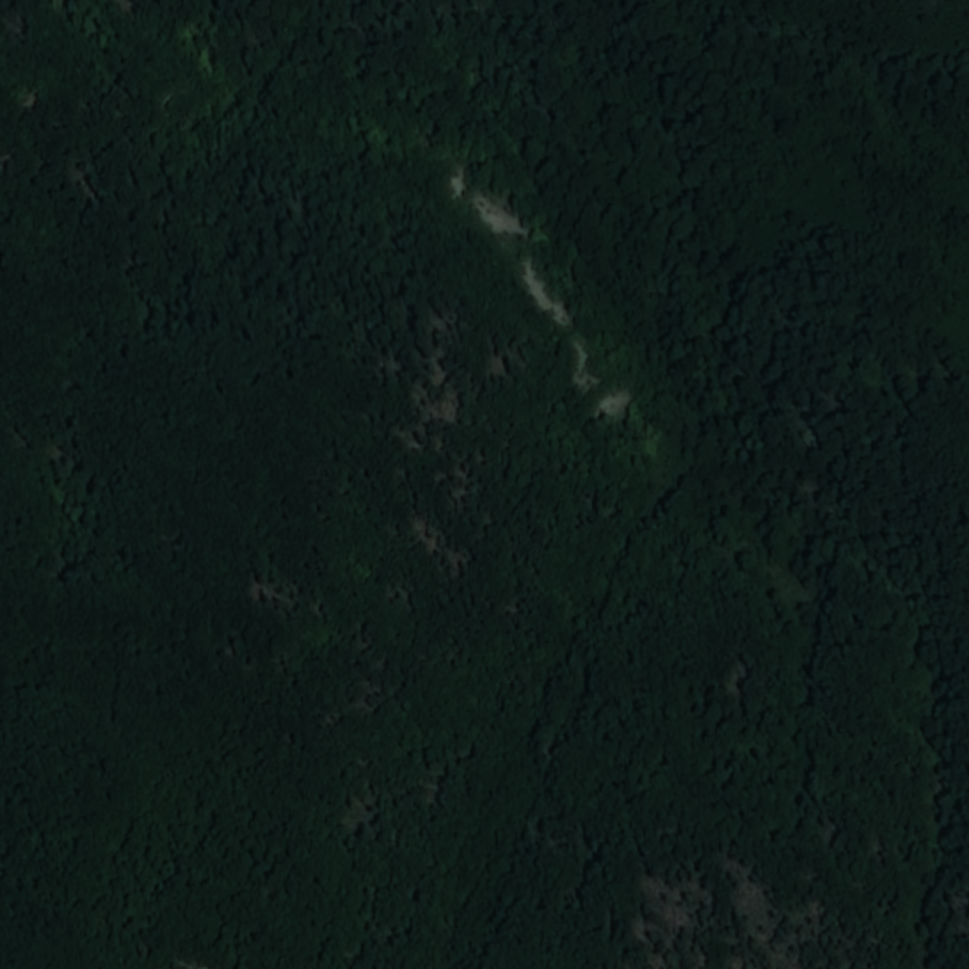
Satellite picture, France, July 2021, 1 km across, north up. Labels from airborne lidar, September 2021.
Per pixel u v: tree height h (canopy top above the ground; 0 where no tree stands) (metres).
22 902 22
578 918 24
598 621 13
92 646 16
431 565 24
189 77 15
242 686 21
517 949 25
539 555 24
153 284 30
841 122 9
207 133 18
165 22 35
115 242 27
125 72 29
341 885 19
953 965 14
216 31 29
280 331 20
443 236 14
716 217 7
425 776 23
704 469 12
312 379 25
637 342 14
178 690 26
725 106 20
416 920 28
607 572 19
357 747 23
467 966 14
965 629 29
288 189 24
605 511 25
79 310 31
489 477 23
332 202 22
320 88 35
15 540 25
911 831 23
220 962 11
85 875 22
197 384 26
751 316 29
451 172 9
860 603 25
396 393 25
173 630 18
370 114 28
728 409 14
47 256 23
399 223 22
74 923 18
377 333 26
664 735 30
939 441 30
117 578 24
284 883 19
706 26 12
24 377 25
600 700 26
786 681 27
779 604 27
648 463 16
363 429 25
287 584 23
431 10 30
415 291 24
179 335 22
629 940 25
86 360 26
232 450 28
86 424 29
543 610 30
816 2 9
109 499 22
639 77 27
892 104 10
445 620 26
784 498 22
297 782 25
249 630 22
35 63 19
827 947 23
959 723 26
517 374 25
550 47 25
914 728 27
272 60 28
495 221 0
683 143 34
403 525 26
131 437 22
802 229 6
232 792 19
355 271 23
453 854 22
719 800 25
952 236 14
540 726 16
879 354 25
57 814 23
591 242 25
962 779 22
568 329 8
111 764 21
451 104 26
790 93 10
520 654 16
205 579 26
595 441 26
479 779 23
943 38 8
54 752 21
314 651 22
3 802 24
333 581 27
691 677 28
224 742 25
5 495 23
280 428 26
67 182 27
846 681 23
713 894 24
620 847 20
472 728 22
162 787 23
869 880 22
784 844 26
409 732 24
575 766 23
